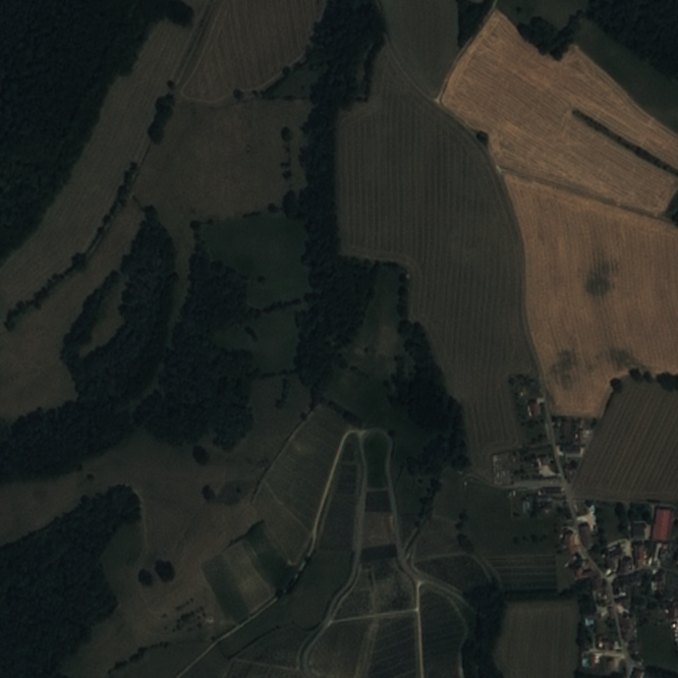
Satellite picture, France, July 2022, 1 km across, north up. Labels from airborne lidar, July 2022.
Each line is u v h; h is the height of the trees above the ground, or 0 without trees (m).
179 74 0
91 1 21
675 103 0
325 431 0
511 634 0
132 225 0
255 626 0
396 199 0
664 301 0
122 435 20
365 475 0
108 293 8
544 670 0
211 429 17
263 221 0
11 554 11
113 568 0
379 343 0
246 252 0
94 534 16
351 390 0
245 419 15
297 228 0
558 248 0
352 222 0
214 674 0
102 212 0
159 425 28
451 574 0
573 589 7
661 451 0
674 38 21
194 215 0
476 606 18
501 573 0
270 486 0
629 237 0
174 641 0
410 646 0
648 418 0
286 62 0
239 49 0
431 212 0
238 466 0
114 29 21
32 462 26
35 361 0
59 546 31
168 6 20
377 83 0
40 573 28
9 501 0
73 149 23
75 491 0
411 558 0
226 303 25
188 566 0
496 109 0
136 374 19
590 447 0
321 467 0
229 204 0
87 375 22
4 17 17
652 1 15
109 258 0
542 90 0
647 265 0
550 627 0
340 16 24
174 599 0
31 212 25
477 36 0
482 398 0
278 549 0
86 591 17
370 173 0
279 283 0
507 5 0
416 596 0
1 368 0
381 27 21
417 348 18
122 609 0
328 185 19
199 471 0
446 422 14
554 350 0
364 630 0
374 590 0
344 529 0
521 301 0
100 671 0
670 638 0
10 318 14
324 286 22
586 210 0
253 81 0
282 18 0
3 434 23
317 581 0
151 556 0
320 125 22
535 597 8
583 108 0
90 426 28
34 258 0
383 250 0
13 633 26
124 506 16
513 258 0
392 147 0
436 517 0
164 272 10
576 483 0
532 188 0
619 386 14
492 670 16
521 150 0
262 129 0
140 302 15
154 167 0
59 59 14
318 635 0
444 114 0
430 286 0
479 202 0
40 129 12
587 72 0
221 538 0
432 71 0
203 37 0
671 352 0
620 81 0
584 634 7
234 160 0
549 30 9
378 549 0
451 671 0
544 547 0
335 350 8
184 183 0
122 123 0
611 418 0
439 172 0
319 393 12
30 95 17
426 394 15
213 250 0
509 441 0
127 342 26
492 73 0
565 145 0
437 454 19
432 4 0
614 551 0
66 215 0
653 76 0
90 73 13
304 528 0
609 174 0
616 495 0
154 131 17
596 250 0
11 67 21
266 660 0
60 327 0
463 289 0
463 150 0
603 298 0
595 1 13
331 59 18
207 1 0
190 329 22
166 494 0
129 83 0
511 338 0
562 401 0
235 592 0
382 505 0
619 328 0
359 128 0
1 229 23
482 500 0
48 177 21
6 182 23
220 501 0
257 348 0
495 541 0
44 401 0
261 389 0
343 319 12
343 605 0
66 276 8
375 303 0
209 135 0
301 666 0
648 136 0
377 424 0
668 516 0
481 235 0
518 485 0
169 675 0
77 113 24
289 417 0
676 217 6
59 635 27
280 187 0
